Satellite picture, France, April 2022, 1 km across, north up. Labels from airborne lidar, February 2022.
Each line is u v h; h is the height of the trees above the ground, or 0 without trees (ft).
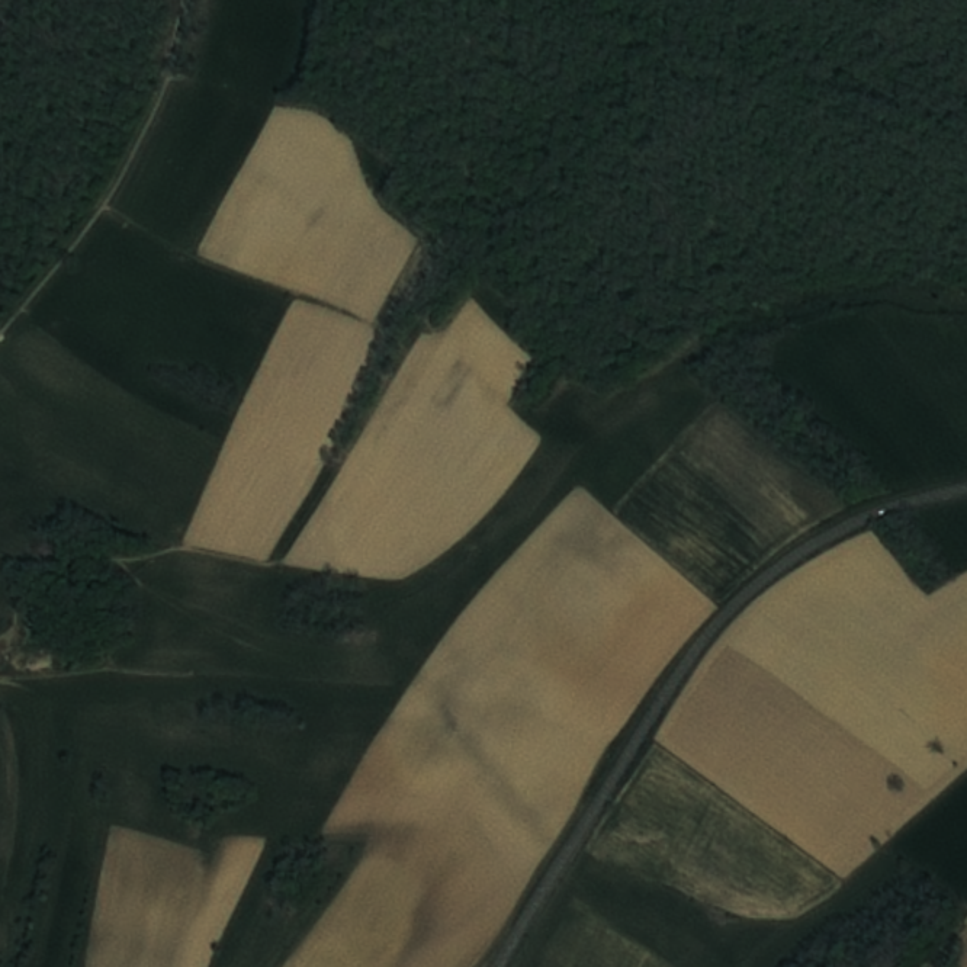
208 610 0
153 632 0
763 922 0
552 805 0
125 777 0
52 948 0
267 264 0
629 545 0
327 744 0
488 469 0
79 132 101
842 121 84
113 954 0
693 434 0
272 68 0
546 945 0
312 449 0
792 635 0
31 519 0
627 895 0
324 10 78
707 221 88
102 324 0
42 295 0
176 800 41
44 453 0
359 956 0
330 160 0
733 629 0
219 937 0
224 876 0
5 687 0
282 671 0
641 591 0
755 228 102
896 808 0
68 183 103
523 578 0
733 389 79
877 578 0
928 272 86
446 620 0
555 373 63
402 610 0
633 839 0
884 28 101
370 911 0
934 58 90
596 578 0
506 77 92
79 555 67
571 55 86
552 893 0
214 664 0
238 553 0
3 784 0
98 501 0
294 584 0
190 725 0
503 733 0
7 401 0
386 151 73
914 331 0
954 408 0
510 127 64
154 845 0
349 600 66
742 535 0
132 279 0
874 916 54
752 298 79
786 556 0
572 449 0
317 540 0
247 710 66
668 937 0
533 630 0
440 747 0
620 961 0
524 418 0
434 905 0
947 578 64
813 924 0
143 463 0
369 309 0
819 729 0
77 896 0
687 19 101
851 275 61
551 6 74
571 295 88
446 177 90
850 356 0
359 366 0
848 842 0
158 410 0
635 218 81
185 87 0
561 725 0
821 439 83
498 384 0
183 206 0
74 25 94
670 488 0
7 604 0
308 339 0
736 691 0
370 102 86
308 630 68
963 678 0
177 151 0
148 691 0
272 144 0
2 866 0
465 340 0
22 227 78
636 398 0
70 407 0
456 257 93
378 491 0
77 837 0
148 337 0
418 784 0
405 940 0
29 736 0
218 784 57
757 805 0
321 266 0
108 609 86
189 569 0
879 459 0
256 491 0
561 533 0
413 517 0
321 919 0
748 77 90
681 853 0
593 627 0
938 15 73
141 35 83
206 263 0
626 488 0
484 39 89
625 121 91
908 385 0
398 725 0
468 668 0
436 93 95
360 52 93
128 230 0
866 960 89
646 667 0
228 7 0
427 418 0
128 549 59
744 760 0
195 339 0
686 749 0
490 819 0
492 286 80
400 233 0
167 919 0
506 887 0
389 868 0
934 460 0
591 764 0
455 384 0
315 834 0
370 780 0
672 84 90
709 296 95
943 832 0
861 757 0
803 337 0
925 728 0
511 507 0
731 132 95
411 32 99
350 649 0
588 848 0
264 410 0
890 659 0
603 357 89
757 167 99
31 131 91
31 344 0
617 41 93
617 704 0
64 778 0
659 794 0
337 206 0
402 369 0
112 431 0
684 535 0
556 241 87
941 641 0
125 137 74
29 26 99
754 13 91
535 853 0
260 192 0
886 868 0
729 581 0
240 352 0
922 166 87
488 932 0
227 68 0
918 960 37
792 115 86
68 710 0
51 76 105
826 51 76
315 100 73
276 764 0
